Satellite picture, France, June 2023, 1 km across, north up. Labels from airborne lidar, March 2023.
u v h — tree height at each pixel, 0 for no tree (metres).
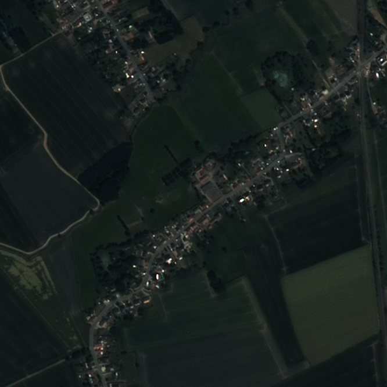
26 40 32
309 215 0
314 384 0
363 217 0
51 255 0
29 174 0
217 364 0
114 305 0
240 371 0
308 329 0
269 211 0
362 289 0
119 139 0
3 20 25
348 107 0
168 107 0
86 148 0
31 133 0
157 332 0
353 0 0
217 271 0
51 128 0
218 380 0
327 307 0
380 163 0
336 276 0
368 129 0
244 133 0
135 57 0
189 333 0
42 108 0
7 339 0
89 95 0
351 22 0
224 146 0
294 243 0
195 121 0
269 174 7
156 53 0
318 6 0
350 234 0
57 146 0
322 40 0
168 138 0
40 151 0
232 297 0
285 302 0
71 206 0
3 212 0
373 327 0
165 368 0
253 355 0
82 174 0
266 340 0
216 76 0
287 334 0
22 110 0
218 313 0
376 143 0
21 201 0
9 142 0
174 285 0
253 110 0
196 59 0
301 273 0
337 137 12
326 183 0
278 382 0
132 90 0
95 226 0
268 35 0
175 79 12
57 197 0
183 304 0
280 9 0
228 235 0
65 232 0
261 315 0
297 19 0
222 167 8
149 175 0
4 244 0
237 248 0
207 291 0
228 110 0
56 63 0
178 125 0
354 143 0
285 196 0
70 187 0
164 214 0
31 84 0
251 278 0
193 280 0
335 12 0
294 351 0
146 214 0
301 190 0
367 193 0
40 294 0
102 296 0
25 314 0
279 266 0
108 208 0
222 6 0
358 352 0
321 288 0
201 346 0
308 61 0
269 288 0
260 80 0
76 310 0
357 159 0
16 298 0
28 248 0
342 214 0
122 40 0
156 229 0
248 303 0
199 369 0
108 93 0
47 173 0
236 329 0
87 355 8
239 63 0
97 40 6
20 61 0
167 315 0
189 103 0
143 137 0
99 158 0
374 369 0
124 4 0
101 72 9
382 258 12
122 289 23
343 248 0
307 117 0
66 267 0
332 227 0
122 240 0
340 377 0
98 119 0
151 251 0
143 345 0
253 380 0
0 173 0
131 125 0
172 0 0
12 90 0
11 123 0
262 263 0
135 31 0
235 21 0
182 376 0
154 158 0
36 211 0
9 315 0
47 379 0
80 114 0
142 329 0
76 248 0
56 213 0
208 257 0
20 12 0
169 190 0
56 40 0
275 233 0
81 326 0
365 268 0
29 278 0
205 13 0
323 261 0
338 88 0
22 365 0
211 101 0
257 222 0
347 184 0
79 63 0
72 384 0
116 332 12
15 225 0
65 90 0
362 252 0
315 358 0
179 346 0
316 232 0
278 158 0
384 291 0
